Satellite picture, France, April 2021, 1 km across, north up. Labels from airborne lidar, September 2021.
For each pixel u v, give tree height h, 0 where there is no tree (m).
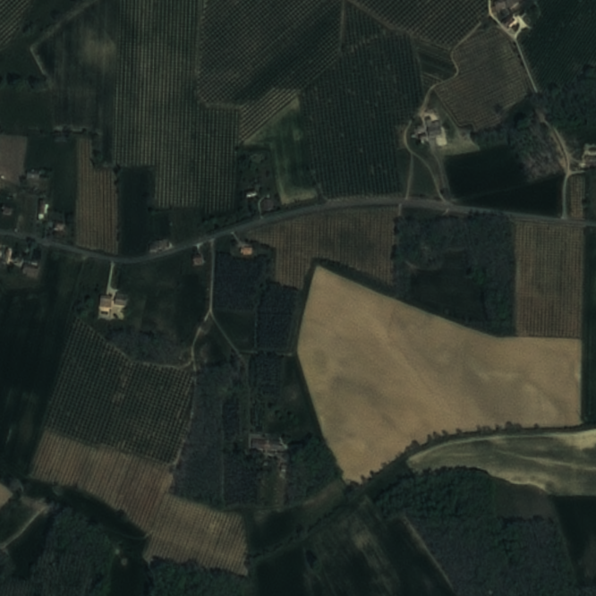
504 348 0
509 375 0
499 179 0
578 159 0
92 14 0
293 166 0
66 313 0
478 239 20
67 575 22
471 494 18
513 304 20
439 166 0
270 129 0
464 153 0
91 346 6
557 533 19
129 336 19
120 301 0
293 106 0
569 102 20
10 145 0
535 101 16
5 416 0
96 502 0
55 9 0
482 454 0
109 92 0
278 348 14
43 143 0
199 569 24
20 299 0
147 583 0
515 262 14
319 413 0
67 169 0
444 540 20
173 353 20
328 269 0
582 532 0
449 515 15
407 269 17
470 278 13
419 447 14
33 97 0
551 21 7
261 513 0
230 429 13
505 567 22
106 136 0
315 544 0
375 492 0
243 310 8
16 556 0
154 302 0
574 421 0
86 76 0
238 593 16
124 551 9
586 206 14
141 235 0
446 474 17
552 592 21
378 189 5
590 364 0
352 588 0
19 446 0
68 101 0
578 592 19
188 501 13
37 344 0
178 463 0
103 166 0
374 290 12
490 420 0
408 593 0
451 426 0
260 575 0
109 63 0
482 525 21
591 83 18
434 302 0
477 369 0
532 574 20
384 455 0
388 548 0
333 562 0
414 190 0
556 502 0
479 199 0
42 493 0
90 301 14
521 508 0
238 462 12
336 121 6
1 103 0
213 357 0
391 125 6
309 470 24
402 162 0
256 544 0
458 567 21
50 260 0
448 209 0
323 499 0
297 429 0
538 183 0
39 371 0
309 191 0
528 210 0
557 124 19
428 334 0
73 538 26
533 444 0
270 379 15
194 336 0
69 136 23
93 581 9
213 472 20
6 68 0
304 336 0
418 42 0
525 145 16
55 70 0
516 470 0
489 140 14
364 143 6
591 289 0
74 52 0
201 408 20
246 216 8
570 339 0
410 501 15
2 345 0
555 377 0
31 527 0
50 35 0
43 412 0
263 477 8
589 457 0
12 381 0
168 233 0
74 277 0
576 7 6
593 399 0
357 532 0
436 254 17
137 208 0
